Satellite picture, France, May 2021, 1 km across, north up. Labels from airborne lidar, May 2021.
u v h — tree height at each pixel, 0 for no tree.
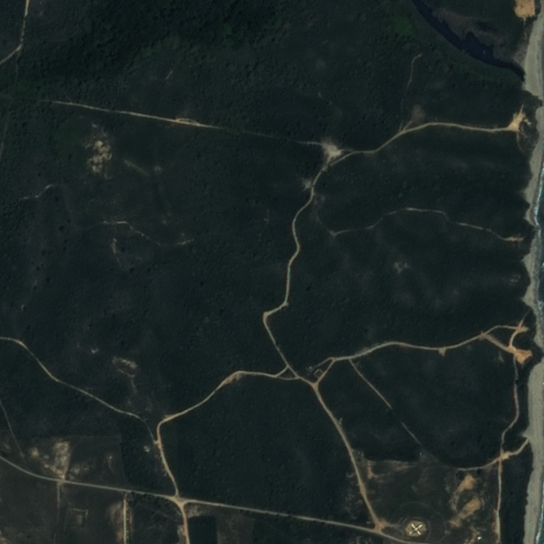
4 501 0
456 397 6
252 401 5
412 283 6
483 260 7
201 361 6
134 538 0
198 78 10
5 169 7
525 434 0
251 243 7
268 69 6
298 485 6
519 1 0
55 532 0
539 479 0
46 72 14
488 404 5
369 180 6
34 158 0
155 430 0
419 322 8
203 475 7
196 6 22
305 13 8
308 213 0
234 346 6
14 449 0
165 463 0
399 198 5
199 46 9
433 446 6
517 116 0
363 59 7
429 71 7
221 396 6
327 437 6
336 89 6
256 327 6
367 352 0
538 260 0
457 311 6
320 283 5
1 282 6
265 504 7
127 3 22
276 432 7
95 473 0
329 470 6
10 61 7
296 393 6
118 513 0
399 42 7
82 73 19
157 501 8
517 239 0
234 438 6
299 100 7
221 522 0
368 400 5
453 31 0
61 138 0
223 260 6
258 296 6
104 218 0
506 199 7
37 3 0
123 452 6
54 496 0
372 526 0
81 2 6
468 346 0
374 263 6
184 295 7
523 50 0
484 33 0
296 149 7
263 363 6
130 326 7
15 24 7
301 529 7
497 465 0
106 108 7
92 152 0
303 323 6
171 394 5
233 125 9
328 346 6
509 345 0
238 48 7
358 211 8
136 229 0
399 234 6
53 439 0
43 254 9
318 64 0
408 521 0
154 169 0
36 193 0
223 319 7
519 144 0
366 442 5
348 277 6
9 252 8
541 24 0
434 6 0
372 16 7
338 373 6
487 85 7
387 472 0
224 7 17
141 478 6
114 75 8
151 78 0
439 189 6
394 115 9
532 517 0
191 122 0
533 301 0
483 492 0
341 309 8
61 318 7
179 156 0
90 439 0
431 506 0
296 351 5
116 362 0
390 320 8
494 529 0
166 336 5
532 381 0
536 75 0
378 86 10
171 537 0
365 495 0
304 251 6
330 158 0
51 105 9
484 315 6
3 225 6
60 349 6
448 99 6
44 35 9
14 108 7
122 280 6
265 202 5
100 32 13
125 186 0
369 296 6
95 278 6
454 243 6
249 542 0
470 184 6
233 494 7
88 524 0
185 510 0
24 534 0
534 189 0
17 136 9
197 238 8
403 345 0
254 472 6
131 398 0
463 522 0
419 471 0
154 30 17
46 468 0
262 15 21
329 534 8
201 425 6
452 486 0
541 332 0
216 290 6
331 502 6
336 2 6
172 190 0
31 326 8
